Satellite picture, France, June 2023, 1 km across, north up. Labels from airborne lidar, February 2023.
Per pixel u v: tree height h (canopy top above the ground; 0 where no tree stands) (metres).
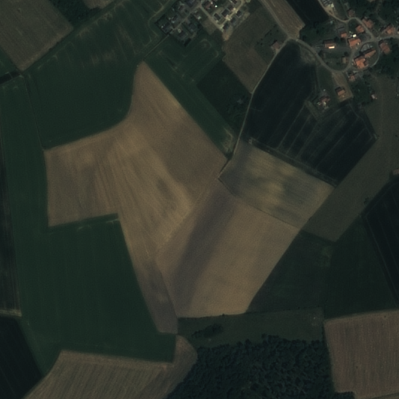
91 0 0
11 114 0
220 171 0
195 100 0
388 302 0
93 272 0
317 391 27
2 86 0
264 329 0
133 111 0
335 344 0
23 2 0
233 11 0
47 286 0
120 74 0
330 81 0
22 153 0
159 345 0
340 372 0
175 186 0
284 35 0
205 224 0
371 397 0
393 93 0
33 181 0
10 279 0
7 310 0
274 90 0
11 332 0
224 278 0
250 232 0
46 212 0
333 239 0
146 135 0
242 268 0
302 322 0
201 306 0
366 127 0
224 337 0
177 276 0
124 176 0
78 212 0
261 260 0
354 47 0
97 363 0
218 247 0
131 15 0
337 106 0
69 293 0
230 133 0
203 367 21
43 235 0
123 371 0
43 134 0
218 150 0
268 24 0
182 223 0
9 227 0
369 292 0
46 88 0
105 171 0
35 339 0
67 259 0
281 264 0
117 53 0
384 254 0
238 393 24
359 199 0
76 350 0
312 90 0
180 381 0
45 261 0
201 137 0
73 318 0
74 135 0
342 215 0
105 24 0
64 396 0
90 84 0
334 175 0
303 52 0
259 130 0
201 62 0
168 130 0
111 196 0
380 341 0
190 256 0
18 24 0
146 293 0
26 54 0
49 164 0
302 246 0
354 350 0
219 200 0
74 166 0
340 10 0
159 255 0
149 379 0
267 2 0
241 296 0
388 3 12
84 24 0
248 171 0
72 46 0
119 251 0
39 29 0
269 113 0
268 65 0
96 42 0
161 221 0
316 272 0
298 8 0
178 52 0
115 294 0
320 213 0
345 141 0
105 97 0
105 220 0
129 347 0
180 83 0
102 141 0
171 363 0
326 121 0
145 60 0
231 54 0
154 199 0
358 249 0
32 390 0
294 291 0
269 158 0
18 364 0
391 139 0
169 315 0
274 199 0
